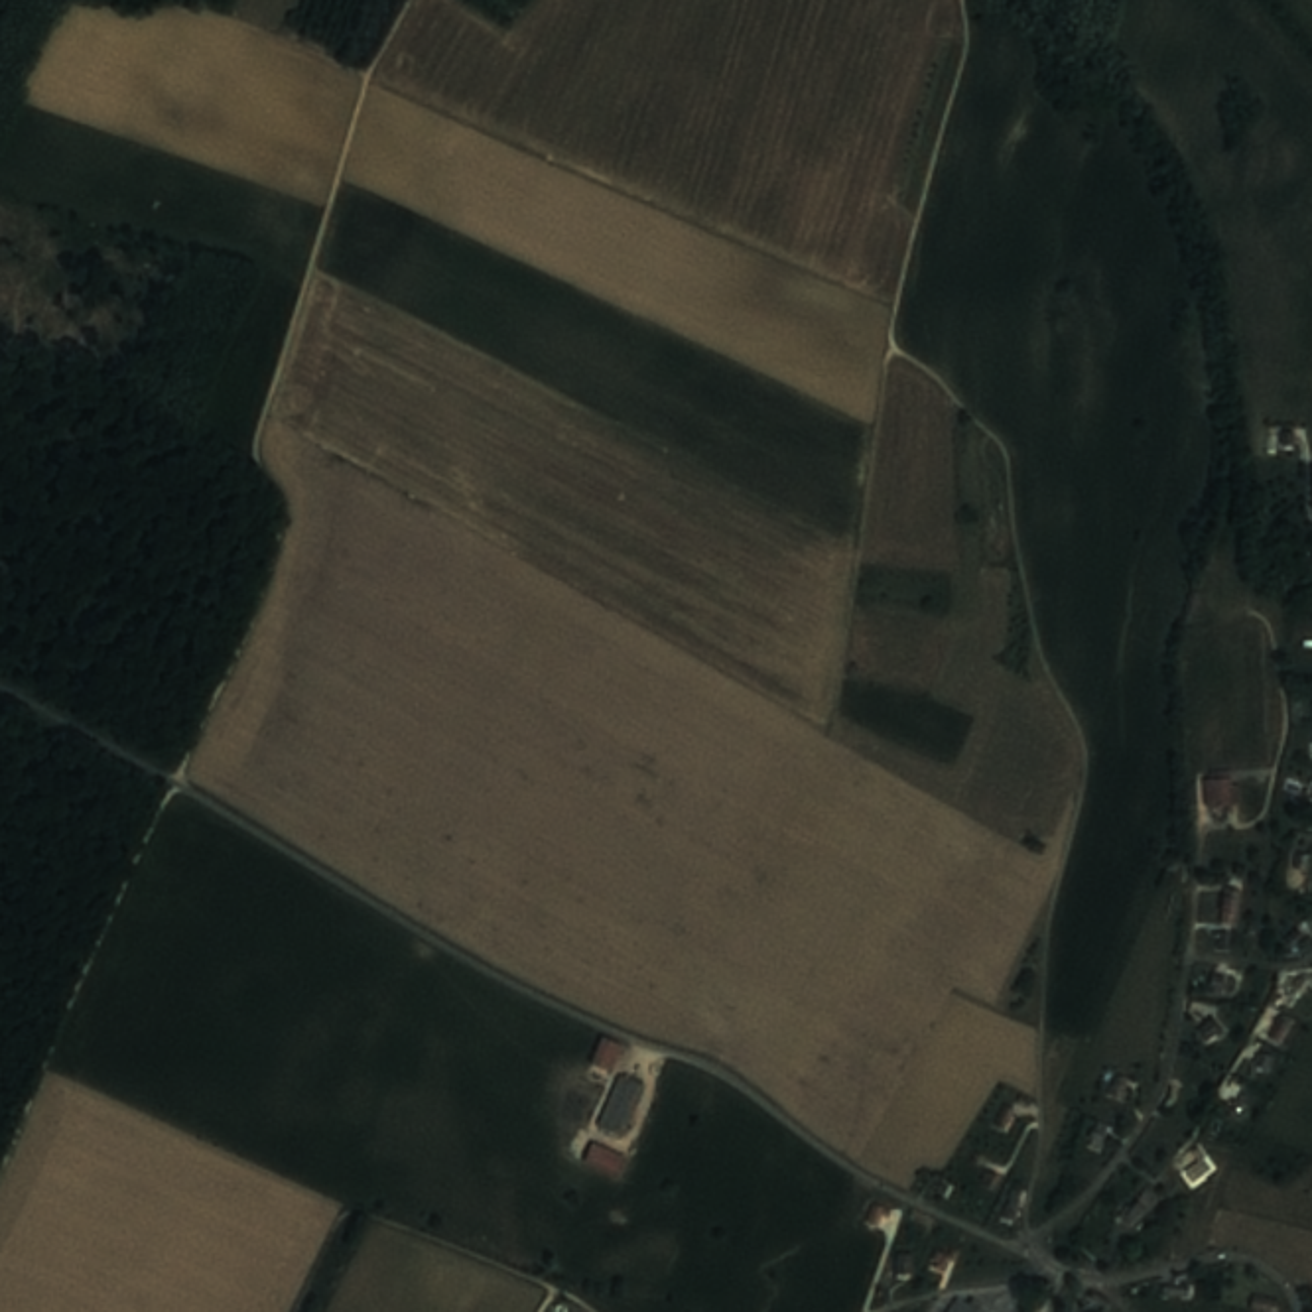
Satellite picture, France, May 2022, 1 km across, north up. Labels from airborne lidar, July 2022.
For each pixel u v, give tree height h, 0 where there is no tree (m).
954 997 0
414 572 0
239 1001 0
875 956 0
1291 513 10
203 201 0
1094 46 22
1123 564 0
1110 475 0
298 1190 0
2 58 20
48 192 0
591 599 0
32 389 28
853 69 0
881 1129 0
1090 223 0
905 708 0
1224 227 0
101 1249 0
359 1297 0
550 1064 0
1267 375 0
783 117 0
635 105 0
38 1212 0
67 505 29
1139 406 0
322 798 0
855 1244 0
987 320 0
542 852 0
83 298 26
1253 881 11
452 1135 0
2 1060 18
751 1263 0
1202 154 0
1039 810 0
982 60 0
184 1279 0
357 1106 0
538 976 0
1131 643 0
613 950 0
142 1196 0
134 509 30
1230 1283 7
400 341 0
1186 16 0
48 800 31
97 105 0
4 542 31
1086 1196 0
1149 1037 0
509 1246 0
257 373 0
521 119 0
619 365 0
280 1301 0
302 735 0
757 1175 0
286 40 0
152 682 26
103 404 26
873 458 0
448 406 0
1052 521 0
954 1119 0
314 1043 0
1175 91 0
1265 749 0
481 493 0
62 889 26
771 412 0
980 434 0
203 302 22
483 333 0
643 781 0
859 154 0
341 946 0
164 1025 0
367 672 0
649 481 0
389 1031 0
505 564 0
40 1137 0
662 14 0
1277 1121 0
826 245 0
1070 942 0
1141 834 0
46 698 23
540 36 0
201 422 11
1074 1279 12
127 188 0
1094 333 0
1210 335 16
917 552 0
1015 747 0
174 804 0
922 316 0
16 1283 0
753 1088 0
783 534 0
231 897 0
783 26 0
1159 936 0
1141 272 0
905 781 0
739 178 0
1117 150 0
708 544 0
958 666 0
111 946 0
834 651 0
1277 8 6
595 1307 0
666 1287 0
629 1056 0
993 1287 0
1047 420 0
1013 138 0
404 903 0
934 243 0
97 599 29
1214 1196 0
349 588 0
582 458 0
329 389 0
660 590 0
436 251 0
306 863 0
